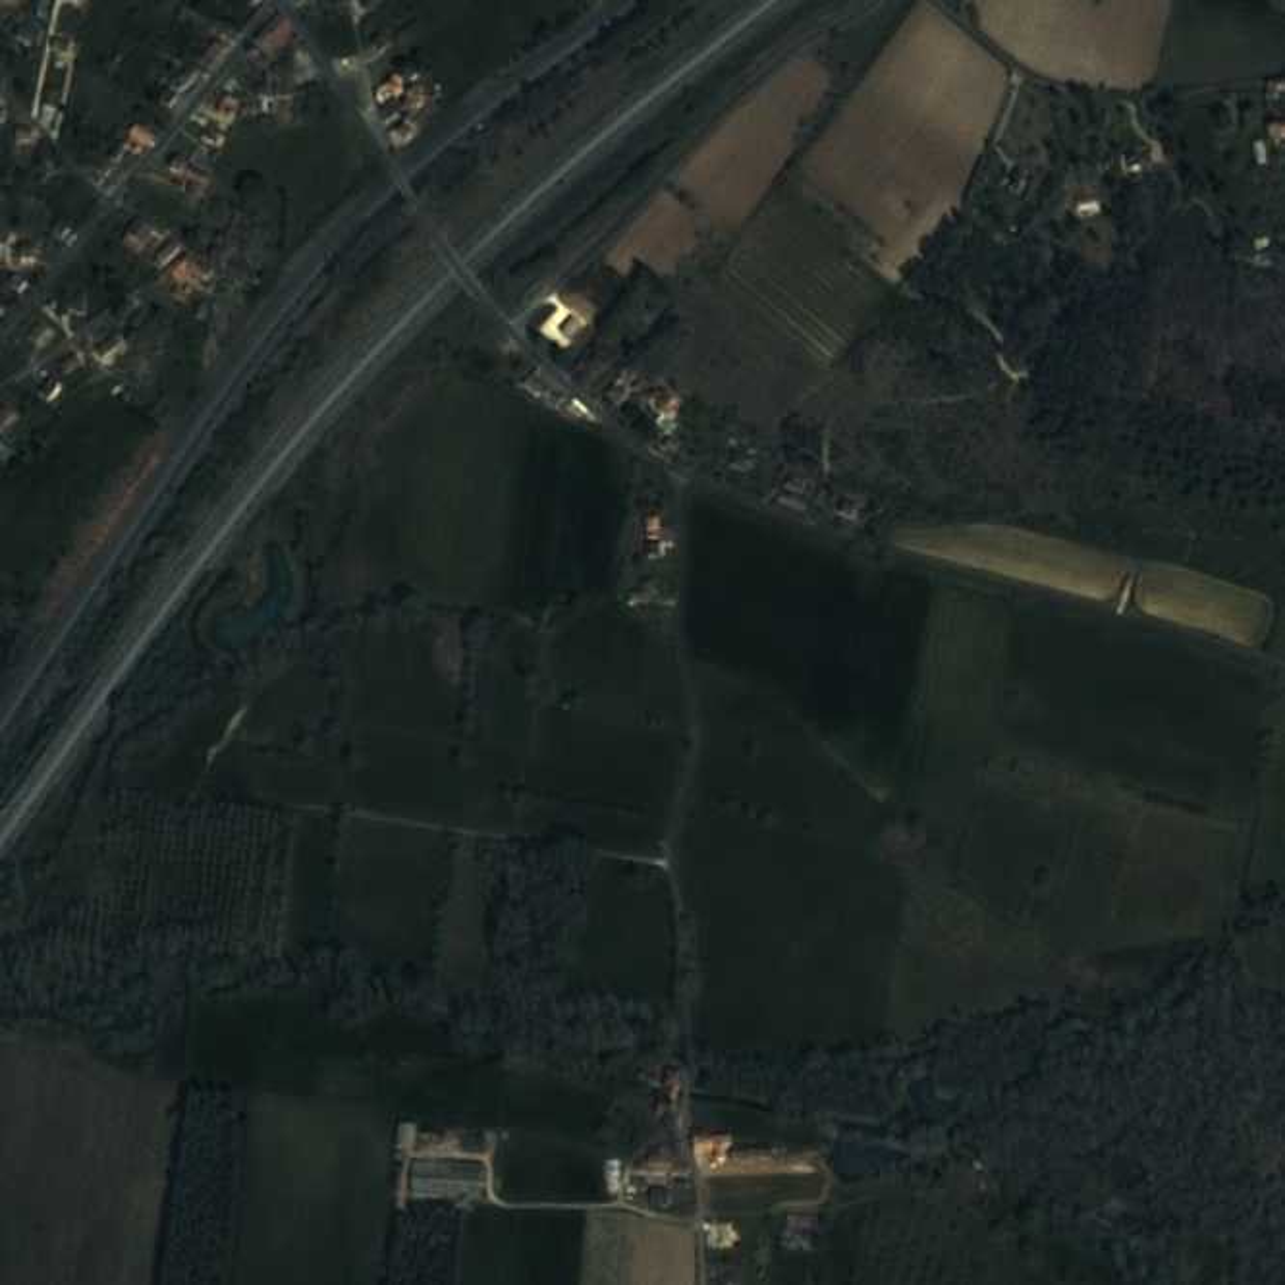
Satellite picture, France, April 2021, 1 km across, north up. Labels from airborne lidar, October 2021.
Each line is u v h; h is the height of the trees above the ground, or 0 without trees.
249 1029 0
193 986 14
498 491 0
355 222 0
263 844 18
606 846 0
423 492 0
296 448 0
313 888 0
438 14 0
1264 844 0
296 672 0
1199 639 0
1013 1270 0
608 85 0
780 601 0
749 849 0
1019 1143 24
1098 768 0
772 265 0
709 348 0
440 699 0
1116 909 0
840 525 10
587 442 0
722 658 0
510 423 0
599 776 0
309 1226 0
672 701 0
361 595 0
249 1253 0
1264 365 11
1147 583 0
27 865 8
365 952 0
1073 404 17
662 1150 0
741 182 0
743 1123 0
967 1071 19
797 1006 0
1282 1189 7
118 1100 0
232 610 0
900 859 0
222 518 0
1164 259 10
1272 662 0
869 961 0
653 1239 0
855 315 0
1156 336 24
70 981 14
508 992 18
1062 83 0
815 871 0
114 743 8
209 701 11
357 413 0
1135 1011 16
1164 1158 23
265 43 0
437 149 0
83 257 0
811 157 0
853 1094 17
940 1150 29
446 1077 0
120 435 0
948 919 0
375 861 0
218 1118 16
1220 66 0
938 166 0
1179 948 0
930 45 0
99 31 0
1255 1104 30
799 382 0
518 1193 0
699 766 0
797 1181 0
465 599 0
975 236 7
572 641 0
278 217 6
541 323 0
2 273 6
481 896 0
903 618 0
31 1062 0
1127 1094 25
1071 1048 8
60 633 0
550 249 8
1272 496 16
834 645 0
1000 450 0
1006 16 0
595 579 0
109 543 0
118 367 7
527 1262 0
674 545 0
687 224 0
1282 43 0
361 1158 0
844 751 0
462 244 0
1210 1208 10
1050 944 0
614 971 0
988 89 0
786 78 0
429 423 0
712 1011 0
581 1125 0
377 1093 0
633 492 11
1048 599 0
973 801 0
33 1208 0
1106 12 0
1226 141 0
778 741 0
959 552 0
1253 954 0
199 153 0
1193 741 0
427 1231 19
